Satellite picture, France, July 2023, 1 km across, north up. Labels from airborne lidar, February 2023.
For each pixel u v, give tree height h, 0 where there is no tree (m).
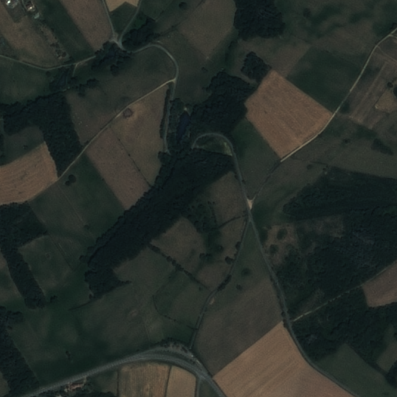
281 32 9
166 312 0
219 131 13
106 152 0
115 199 0
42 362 0
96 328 0
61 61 0
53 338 0
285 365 0
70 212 0
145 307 0
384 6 0
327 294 8
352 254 9
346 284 10
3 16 0
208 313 0
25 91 0
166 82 0
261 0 24
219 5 0
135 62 0
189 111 0
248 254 0
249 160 0
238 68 0
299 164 0
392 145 0
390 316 14
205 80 0
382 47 0
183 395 0
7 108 15
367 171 0
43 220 0
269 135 0
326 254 12
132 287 0
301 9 0
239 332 0
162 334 0
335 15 0
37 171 0
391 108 0
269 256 0
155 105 0
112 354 0
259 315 0
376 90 0
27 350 0
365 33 0
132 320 0
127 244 24
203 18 0
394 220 13
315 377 0
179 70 0
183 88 0
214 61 0
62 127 15
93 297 16
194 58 0
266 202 0
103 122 0
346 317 11
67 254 0
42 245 0
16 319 9
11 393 11
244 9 18
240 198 0
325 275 7
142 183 0
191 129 11
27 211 12
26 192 0
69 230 0
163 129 8
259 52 0
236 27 11
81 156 0
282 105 0
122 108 0
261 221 0
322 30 0
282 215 0
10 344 16
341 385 0
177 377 0
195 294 0
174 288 0
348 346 0
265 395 0
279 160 0
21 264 13
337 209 0
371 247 16
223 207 0
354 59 0
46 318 0
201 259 9
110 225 0
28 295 23
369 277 9
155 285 0
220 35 0
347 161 0
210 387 0
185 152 16
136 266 0
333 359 0
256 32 15
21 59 0
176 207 12
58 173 6
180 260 0
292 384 0
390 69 0
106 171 0
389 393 0
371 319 9
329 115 0
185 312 0
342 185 0
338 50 0
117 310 0
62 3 0
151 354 0
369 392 0
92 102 0
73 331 0
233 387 0
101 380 0
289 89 0
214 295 0
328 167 8
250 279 0
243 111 12
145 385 0
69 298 0
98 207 0
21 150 0
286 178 0
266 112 0
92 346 0
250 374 0
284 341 0
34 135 0
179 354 0
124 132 0
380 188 0
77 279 0
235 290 0
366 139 0
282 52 0
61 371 0
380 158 0
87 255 7
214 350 0
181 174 28
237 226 0
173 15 0
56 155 9
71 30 0
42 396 13
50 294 0
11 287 0
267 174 0
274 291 0
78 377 0
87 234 0
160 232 12
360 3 0
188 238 0
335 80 0
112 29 0
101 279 18
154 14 0
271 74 0
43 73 0
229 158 14
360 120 0
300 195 8
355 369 0
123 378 0
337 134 0
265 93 0
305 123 0
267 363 0
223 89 24
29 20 0
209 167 17
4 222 15
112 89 0
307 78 0
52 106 25
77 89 8
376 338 8
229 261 14
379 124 0
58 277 0
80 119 0
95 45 0
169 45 0
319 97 0
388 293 0
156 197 24
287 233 0
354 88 0
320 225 0
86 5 0
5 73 0
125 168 0
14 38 0
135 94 0
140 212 15
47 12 0
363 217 14
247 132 0
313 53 0
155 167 0
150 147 0
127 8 0
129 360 0
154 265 0
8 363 18
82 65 0
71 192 0
